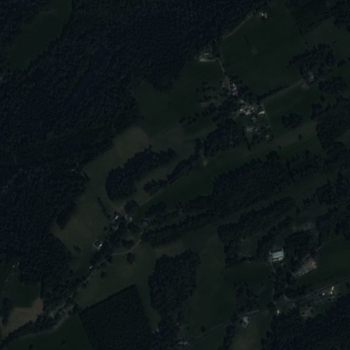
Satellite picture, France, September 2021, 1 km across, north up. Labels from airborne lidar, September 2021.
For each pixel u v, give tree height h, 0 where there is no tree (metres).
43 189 14
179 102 0
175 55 28
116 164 0
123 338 14
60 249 21
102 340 12
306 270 0
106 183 0
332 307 0
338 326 21
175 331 14
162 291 31
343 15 19
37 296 0
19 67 0
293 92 0
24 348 0
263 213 10
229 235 28
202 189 0
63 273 18
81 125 27
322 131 19
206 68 0
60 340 0
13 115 19
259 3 19
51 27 0
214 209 17
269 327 0
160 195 0
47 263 30
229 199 21
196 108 0
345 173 0
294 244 25
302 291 9
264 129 7
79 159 21
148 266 0
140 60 33
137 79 29
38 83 23
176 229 20
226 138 28
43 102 26
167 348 20
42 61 22
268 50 0
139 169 29
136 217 0
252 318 0
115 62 30
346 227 25
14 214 29
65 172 9
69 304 21
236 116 0
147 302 0
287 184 18
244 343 0
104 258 8
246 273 0
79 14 23
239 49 0
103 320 13
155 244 17
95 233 0
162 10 35
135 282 0
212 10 26
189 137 0
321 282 0
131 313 13
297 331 25
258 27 0
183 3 35
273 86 0
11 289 0
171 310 11
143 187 0
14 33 22
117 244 26
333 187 25
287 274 0
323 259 0
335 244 0
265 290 0
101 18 23
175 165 0
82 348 0
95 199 0
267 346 20
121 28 30
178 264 19
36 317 0
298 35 0
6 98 18
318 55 16
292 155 0
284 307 0
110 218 7
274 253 0
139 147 0
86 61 25
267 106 0
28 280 20
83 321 13
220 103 0
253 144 9
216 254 0
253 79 0
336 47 0
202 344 0
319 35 0
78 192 22
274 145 0
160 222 20
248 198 21
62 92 22
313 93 0
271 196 21
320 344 25
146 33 32
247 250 0
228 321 0
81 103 28
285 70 0
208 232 0
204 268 0
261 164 21
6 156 7
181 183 0
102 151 18
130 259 18
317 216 0
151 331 11
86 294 0
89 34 29
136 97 0
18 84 26
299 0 24
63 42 24
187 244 0
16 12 6
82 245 0
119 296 15
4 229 29
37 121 26
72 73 17
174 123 0
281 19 0
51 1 22
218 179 0
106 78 29
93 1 20
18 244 21
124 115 10
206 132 0
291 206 21
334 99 0
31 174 28
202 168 0
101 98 30
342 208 21
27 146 21
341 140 0
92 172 0
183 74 0
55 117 24
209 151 21
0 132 23
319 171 19
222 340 0
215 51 15
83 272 0
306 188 0
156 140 0
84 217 0
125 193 22
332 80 0
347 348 15
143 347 14
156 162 18
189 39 11
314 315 0
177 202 0
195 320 0
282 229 21
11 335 13
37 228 26
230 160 0
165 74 26
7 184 29
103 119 22
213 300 0
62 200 24
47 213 25
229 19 19
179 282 20
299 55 0
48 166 20
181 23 30
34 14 25
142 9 22
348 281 0
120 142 0
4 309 11
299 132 0
